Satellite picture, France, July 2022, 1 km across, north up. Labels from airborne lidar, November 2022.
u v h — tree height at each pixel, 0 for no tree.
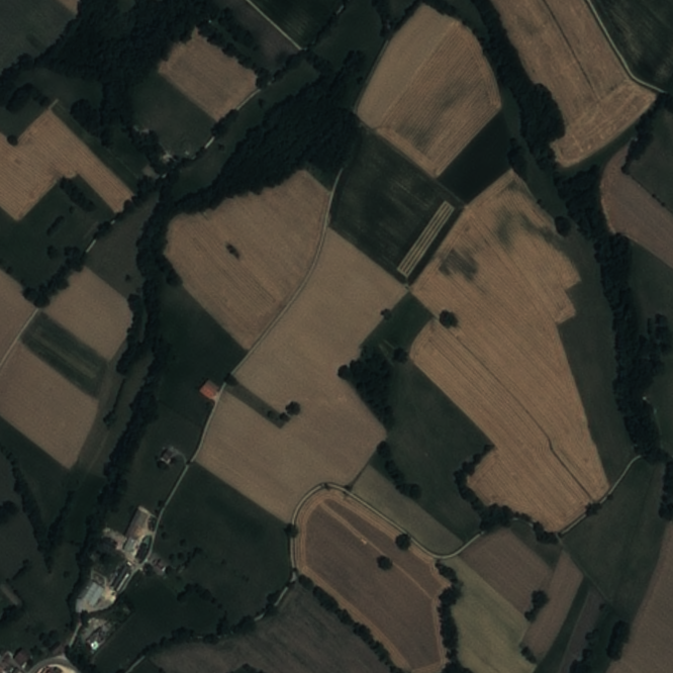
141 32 15
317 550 0
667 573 0
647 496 0
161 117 0
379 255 0
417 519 0
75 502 16
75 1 0
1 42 0
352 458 0
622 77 0
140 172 0
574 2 0
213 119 0
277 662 0
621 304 16
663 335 22
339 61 0
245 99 0
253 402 0
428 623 0
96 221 0
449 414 0
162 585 0
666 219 0
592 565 0
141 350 21
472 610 0
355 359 0
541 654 0
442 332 0
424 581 0
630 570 0
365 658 0
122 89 19
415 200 0
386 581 0
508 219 0
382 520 0
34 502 21
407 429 0
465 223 0
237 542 0
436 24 0
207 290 0
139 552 0
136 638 0
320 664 0
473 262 0
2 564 0
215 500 0
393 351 0
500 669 0
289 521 0
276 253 0
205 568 0
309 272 0
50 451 0
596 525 0
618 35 0
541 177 0
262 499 0
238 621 0
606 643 0
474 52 0
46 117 0
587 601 0
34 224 0
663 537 0
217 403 0
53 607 0
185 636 19
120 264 0
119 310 0
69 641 0
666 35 0
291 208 0
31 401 0
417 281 0
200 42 0
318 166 20
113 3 16
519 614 0
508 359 0
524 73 19
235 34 21
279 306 0
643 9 0
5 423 0
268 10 0
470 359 0
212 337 0
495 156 0
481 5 18
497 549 0
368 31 0
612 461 0
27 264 0
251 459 0
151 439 0
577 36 0
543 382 0
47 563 10
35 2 0
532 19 0
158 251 18
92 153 0
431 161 0
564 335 0
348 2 15
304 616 0
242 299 0
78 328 0
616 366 0
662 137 0
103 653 0
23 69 13
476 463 8
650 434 27
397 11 0
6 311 0
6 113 0
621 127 0
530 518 15
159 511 6
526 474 0
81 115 16
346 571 0
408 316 0
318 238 0
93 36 12
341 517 0
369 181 0
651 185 0
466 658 0
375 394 15
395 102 0
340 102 14
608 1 0
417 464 0
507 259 0
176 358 6
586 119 0
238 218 0
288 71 12
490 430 0
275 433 0
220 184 18
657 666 0
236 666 0
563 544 0
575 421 0
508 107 0
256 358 0
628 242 12
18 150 0
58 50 16
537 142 22
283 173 16
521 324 0
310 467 0
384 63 0
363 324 0
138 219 0
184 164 16
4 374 0
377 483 0
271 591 0
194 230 0
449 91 0
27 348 0
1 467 0
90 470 0
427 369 0
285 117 22
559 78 0
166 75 0
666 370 23
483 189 0
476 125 0
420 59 0
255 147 17
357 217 0
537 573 0
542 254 0
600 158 0
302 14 0
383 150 0
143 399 24
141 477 0
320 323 0
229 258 0
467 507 0
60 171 0
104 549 0
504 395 0
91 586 0
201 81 0
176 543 0
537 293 0
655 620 0
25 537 0
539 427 0
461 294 0
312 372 0
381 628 0
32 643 0
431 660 0
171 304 0
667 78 0
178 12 20
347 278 0
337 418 0
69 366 0
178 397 0
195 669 0
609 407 0
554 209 0
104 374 0
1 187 0
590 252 0
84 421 0
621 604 0
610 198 0
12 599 0
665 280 0
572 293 0
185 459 0
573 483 0
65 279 17
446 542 0
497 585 0
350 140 23
